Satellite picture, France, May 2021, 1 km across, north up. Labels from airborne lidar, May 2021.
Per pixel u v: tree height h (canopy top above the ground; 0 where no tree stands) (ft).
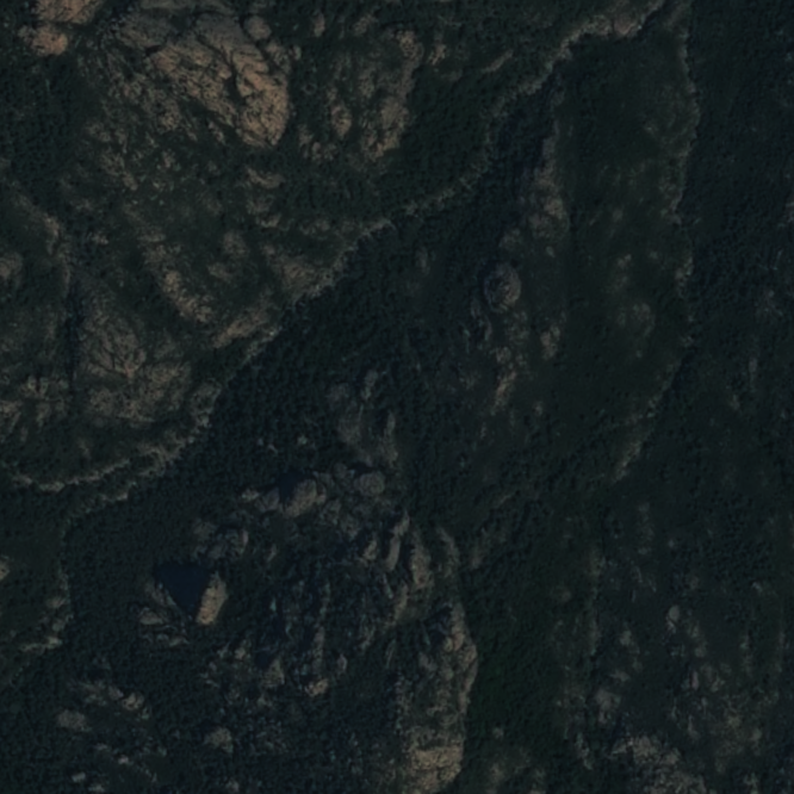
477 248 18
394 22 23
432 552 32
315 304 40
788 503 23
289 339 50
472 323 22
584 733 23
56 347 22
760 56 20
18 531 53
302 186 43
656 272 19
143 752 31
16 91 61
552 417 53
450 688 19
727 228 54
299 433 43
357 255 26
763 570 46
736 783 46
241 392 81
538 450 50
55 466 50
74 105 55
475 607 42
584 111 19
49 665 73
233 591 29
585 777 18
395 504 37
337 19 23
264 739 19
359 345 21
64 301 29
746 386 49
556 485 61
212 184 69
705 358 64
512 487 49
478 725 42
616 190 20
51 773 61
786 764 23
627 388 18
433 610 21
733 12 22
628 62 22
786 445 19
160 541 72
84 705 65
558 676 20
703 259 23
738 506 36
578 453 26
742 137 20
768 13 34
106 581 61
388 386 48
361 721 38
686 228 37
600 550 39
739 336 44
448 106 49
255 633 35
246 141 31
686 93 22
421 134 69
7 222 34
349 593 22
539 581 32
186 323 65
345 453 25
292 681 53
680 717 24
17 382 26
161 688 56
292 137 58
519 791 33
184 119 30
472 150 46
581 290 17
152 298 52
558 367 42
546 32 44
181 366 28
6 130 50
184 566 23
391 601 30
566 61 22
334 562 31
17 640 37
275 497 0
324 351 39
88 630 85
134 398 52
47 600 65
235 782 37
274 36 31
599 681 70
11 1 44
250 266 23
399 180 69
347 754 36
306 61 43
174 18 34
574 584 25
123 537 71
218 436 75
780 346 28
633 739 29
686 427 18
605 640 25
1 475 72
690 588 33
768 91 19
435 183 98
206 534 0
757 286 21
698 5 34
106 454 19
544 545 27
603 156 28
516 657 48
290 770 45
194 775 63
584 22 75
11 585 45
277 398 62
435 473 56
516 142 76
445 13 50
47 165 41
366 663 34
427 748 30
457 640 37
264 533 23
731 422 18
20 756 22
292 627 34
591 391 18
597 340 23
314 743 29
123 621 56
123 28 24
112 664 22
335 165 49
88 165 38
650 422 27
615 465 50
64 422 30
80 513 52
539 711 51
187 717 50
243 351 38
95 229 36
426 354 47
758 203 23
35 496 65
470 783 47
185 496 71
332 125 41
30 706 64
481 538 48
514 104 23
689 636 0
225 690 20
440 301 25
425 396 68
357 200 67
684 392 74
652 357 21
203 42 17
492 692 54
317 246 25
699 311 35
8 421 49
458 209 66
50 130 46
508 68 73
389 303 41
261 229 48
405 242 85
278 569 18
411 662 50
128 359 21
